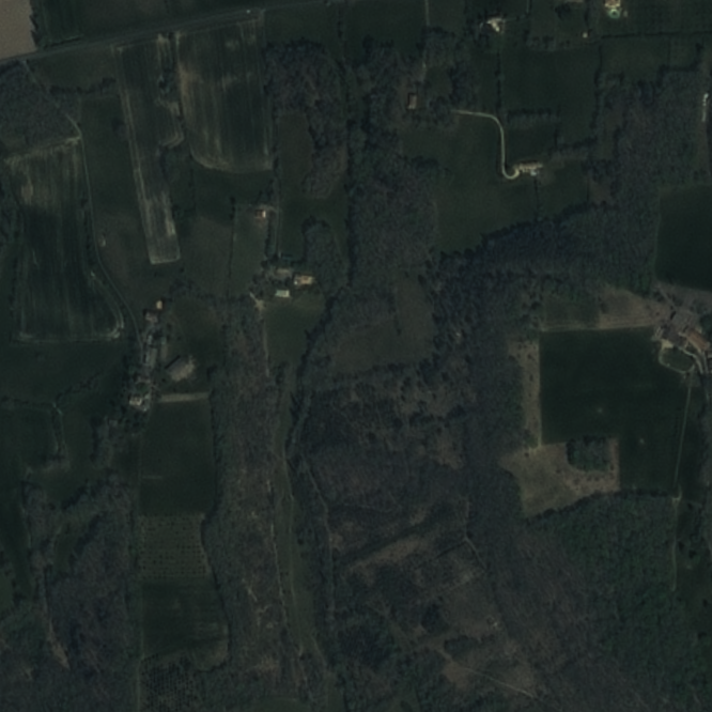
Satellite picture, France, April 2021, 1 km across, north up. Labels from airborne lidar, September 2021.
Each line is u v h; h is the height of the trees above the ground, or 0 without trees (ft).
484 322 51
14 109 57
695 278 0
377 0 0
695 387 0
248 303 56
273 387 40
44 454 0
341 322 86
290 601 0
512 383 61
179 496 0
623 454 0
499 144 18
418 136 0
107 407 0
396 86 73
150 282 0
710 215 0
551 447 0
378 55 75
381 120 59
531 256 63
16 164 0
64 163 0
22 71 62
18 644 43
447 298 45
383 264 74
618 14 0
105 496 64
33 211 0
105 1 0
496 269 49
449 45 91
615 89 28
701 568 0
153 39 0
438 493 47
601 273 83
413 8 0
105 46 0
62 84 0
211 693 53
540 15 0
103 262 0
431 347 0
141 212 0
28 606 60
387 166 79
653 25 25
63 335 0
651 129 46
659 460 0
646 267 74
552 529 62
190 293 45
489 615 0
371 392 31
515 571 50
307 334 0
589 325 0
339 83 72
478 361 34
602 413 0
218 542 72
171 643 0
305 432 36
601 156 52
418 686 41
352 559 21
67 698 58
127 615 40
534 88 0
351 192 66
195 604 0
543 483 0
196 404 0
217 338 0
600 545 88
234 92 0
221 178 0
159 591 0
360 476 57
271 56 53
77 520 41
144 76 0
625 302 0
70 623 56
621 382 0
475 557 23
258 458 47
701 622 0
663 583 71
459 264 56
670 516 61
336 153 71
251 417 44
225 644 0
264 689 45
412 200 50
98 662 35
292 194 0
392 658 81
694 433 0
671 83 55
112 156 0
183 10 0
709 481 44
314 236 72
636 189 67
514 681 0
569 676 47
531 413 0
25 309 0
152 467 0
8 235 51
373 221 80
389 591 18
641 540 76
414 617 44
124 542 67
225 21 0
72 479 0
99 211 0
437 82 0
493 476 57
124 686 59
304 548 46
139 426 21
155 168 0
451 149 0
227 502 50
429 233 53
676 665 59
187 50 0
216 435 42
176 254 0
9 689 51
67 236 0
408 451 38
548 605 41
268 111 0
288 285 35
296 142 0
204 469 0
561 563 63
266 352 44
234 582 63
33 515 56
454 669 0
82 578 45
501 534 65
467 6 21
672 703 67
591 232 69
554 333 0
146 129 0
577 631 53
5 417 0
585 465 60
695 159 68
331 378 50
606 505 71
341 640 27
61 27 0
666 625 76
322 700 64
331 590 63
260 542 41
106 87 35
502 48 76
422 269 38
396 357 0
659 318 0
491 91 0
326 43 0
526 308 25
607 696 59
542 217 21
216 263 0
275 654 24
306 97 50
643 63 0
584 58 0
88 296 0
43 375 0
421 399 0
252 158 0
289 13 0
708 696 71
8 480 0
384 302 72
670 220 0
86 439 0
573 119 0
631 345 0
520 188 0
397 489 37
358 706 63
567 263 63
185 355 0
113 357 0
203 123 0
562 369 0
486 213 0
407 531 20
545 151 0
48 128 59
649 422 0
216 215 0
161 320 50
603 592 80
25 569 0
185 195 0
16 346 24
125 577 50
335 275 77
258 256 0
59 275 0
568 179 0
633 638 71
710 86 48
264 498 31
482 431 49
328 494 56
